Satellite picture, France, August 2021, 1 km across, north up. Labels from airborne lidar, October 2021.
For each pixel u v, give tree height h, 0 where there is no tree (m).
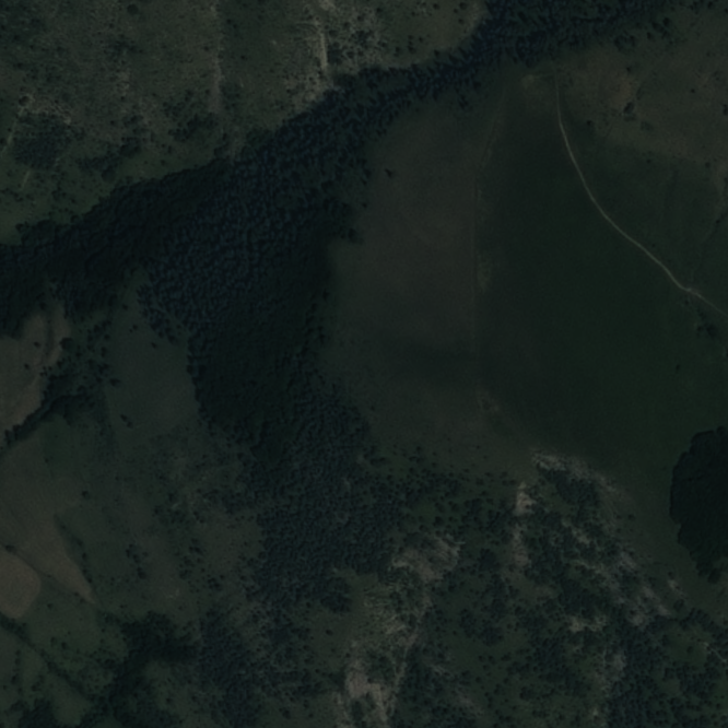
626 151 0
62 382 13
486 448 0
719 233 0
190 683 10
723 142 0
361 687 0
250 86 0
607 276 0
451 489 9
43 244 30
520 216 0
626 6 24
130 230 18
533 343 0
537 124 0
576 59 0
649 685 13
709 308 0
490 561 12
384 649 6
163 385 0
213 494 6
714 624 9
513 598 10
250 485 11
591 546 7
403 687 7
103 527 0
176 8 0
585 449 0
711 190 0
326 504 8
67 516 0
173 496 8
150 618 8
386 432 0
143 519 0
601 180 0
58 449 0
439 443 0
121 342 0
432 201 0
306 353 11
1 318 12
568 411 0
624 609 6
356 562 14
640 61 0
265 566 8
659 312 0
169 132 7
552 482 11
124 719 15
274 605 8
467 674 7
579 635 9
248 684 9
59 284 7
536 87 0
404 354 0
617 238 0
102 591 0
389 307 0
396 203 0
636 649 14
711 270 0
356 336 0
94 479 0
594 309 0
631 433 0
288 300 20
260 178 12
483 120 0
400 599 6
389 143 0
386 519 10
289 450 10
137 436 0
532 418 0
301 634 7
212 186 17
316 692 9
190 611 0
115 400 0
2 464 0
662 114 0
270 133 8
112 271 15
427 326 0
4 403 0
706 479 20
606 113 0
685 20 0
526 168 0
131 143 10
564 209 0
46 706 7
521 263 0
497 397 0
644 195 0
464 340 0
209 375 18
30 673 0
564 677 9
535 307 0
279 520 10
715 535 20
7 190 6
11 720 0
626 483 0
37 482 0
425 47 0
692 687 10
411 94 10
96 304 11
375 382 0
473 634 8
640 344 0
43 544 0
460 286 0
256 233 8
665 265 0
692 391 0
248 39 0
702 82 0
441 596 6
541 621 12
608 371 0
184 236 16
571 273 0
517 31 28
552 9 24
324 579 10
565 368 0
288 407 12
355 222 0
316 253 16
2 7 6
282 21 0
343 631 0
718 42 0
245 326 20
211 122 7
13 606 0
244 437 12
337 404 11
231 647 9
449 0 0
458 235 0
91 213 12
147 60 0
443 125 0
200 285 18
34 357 0
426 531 7
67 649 13
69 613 0
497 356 0
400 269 0
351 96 12
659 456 0
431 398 0
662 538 0
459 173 0
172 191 19
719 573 8
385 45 6
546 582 10
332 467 10
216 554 0
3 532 0
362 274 0
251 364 21
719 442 17
